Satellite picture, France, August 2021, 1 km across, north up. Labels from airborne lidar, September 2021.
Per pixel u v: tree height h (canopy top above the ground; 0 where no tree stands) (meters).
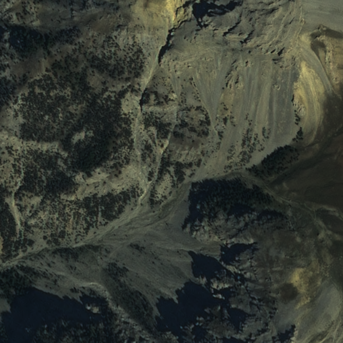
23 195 7
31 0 0
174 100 6
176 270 0
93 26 0
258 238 0
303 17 0
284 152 13
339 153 0
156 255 0
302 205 0
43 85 7
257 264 0
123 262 0
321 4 0
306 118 0
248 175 0
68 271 0
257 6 0
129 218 0
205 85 0
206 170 0
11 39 0
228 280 0
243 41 0
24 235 6
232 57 0
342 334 0
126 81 5
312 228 0
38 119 9
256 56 0
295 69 0
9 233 9
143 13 0
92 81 0
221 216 0
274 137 0
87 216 6
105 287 0
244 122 0
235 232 0
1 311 0
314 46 0
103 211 9
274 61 0
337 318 0
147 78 0
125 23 0
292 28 0
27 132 11
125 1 0
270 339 0
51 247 0
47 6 0
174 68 0
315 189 0
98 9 0
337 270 0
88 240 0
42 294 0
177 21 0
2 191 11
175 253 0
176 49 0
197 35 0
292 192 0
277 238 0
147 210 0
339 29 0
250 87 0
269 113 0
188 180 0
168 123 10
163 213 0
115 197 6
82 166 12
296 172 0
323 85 0
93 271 0
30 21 0
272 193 0
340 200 0
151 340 0
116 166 9
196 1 0
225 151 0
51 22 0
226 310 0
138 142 0
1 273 11
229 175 0
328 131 0
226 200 9
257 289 0
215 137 0
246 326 0
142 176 0
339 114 0
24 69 0
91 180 0
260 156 0
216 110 0
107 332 7
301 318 0
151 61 0
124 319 0
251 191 9
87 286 0
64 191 8
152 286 0
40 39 15
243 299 0
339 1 0
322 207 0
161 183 0
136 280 0
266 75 0
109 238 0
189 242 0
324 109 0
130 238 0
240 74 0
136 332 0
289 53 0
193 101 0
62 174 8
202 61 0
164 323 7
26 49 12
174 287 0
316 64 0
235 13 0
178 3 0
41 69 0
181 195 0
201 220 0
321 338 0
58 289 0
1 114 0
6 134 0
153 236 0
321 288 0
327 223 0
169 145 0
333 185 0
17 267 7
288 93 0
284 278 0
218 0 0
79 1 0
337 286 0
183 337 0
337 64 0
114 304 0
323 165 0
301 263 0
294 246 0
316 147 0
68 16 0
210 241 0
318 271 0
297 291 0
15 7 0
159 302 0
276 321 0
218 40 0
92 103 9
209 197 13
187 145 0
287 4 0
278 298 0
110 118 11
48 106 11
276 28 0
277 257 0
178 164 9
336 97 0
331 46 0
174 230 0
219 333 0
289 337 0
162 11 0
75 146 7
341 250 0
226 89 0
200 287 0
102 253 0
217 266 0
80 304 0
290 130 0
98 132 11
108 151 6
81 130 7
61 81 9
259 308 0
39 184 7
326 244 0
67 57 9
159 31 0
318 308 0
